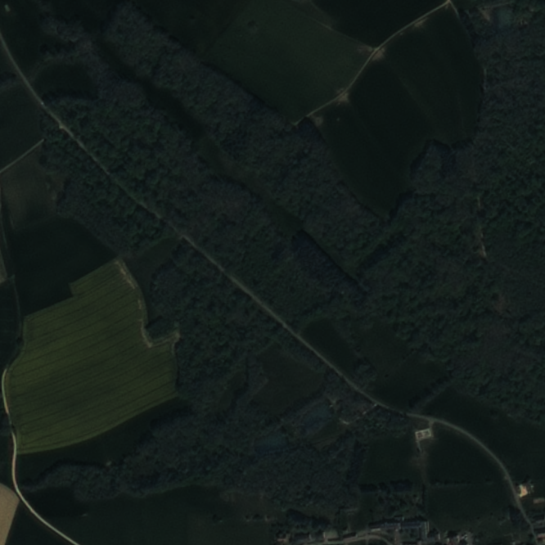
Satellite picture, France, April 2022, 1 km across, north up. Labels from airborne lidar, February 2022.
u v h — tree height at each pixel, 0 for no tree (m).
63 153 22
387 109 0
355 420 23
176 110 0
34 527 0
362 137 0
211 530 0
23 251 0
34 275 0
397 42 0
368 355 0
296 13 0
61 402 0
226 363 12
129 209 23
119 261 0
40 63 0
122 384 0
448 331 27
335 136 0
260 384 22
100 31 0
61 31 18
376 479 0
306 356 26
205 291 26
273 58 0
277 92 0
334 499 24
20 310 0
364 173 0
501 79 23
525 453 0
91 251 0
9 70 0
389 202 0
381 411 11
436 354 25
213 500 0
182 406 0
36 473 0
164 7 0
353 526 0
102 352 0
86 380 0
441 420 0
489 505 0
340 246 20
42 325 0
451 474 0
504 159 30
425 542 0
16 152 0
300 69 0
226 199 28
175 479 32
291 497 20
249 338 27
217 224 30
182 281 24
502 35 23
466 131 0
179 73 28
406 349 0
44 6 14
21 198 0
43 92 0
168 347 0
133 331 0
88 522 0
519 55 22
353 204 24
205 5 0
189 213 27
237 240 20
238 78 0
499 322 25
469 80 0
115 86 25
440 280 25
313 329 0
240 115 27
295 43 0
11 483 0
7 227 0
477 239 27
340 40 0
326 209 29
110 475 25
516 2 15
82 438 0
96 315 0
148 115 24
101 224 23
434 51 0
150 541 0
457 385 23
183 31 0
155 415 0
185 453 36
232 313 29
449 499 0
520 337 21
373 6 0
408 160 0
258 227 22
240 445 26
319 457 23
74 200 27
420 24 0
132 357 0
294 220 0
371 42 0
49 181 0
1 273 0
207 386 27
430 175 29
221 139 22
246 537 0
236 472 23
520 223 27
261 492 21
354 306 23
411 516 0
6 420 16
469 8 0
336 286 26
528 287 20
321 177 28
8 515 0
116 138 26
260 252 10
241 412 24
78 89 0
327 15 0
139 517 0
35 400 0
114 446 0
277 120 22
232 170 0
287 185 29
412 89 0
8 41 0
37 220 0
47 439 0
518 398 26
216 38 0
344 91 0
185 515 0
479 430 0
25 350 0
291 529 10
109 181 24
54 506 0
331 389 18
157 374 0
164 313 11
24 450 0
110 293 0
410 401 0
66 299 0
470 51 0
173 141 23
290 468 22
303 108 0
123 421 0
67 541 0
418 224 26
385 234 27
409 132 0
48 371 0
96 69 26
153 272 0
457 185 27
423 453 0
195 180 23
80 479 24
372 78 0
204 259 25
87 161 26
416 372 0
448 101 0
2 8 0
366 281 16
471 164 23
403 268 32
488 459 0
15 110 0
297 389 0
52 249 0
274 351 0
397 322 12
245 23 0
